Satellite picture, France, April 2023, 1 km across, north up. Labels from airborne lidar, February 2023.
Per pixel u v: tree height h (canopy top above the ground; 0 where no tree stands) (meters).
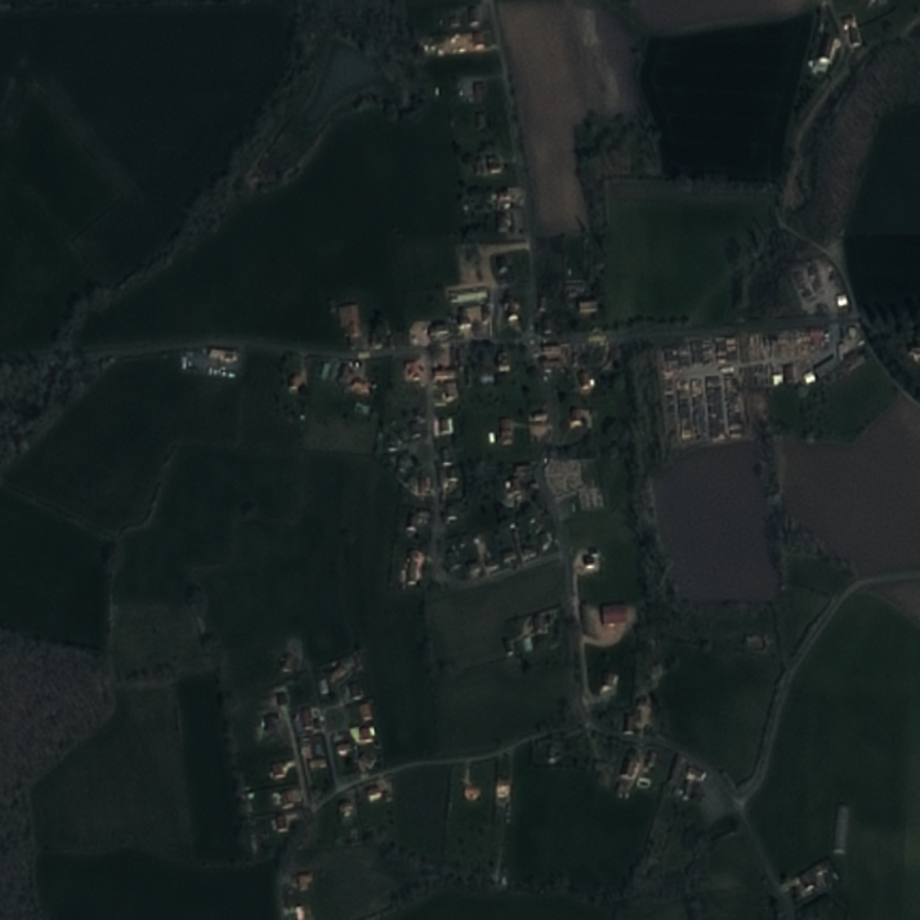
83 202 0
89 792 0
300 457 0
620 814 0
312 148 0
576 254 0
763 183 6
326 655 0
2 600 0
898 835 0
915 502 0
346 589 0
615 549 0
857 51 0
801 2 0
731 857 0
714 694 0
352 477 0
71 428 0
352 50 0
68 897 0
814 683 0
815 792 0
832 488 0
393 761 0
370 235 0
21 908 14
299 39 18
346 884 0
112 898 0
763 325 0
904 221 0
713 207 0
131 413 0
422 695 0
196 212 17
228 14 0
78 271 0
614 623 0
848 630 0
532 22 0
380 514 0
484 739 0
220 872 0
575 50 0
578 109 0
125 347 0
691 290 0
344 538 10
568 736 9
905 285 0
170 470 0
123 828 0
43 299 0
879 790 0
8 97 0
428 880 14
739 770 0
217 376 0
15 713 20
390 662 0
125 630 0
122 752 0
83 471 0
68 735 18
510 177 0
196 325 0
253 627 0
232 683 0
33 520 0
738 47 0
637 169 8
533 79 0
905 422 0
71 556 0
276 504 0
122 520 0
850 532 0
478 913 0
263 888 0
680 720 0
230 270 0
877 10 0
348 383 9
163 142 0
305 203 0
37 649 13
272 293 0
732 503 0
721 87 0
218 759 0
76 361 17
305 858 0
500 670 0
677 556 0
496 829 0
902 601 0
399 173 0
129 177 0
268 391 0
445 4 0
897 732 0
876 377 0
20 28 0
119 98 0
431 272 0
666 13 0
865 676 0
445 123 0
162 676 15
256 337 0
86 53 0
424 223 0
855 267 0
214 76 0
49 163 0
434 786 0
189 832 0
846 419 0
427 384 0
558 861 0
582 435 0
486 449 0
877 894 0
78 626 0
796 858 0
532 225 0
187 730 0
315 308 0
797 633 0
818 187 15
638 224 0
